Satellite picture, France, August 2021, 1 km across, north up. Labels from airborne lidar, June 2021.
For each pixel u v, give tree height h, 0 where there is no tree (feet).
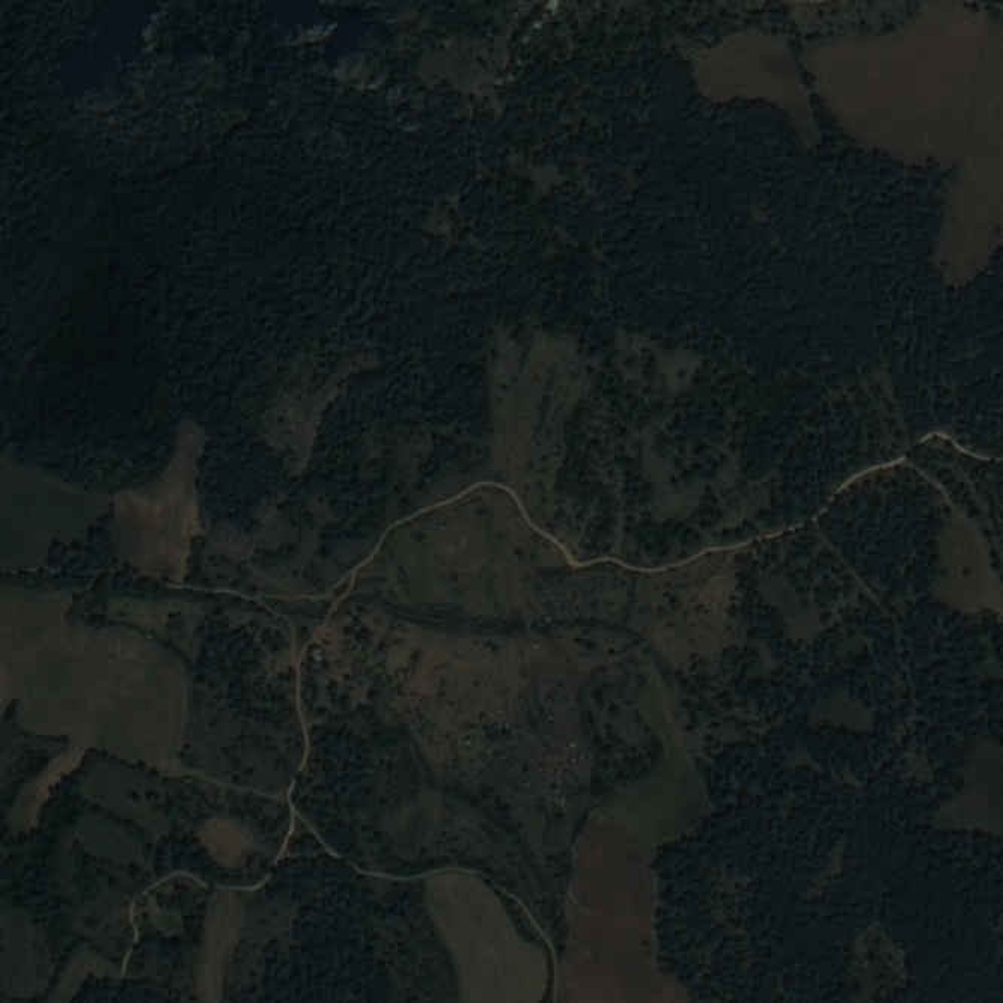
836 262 19
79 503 0
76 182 43
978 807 0
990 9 20
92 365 77
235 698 21
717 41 20
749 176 24
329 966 22
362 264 25
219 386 33
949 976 29
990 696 30
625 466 18
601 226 23
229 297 40
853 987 28
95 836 0
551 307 29
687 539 29
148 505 0
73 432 39
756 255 21
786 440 32
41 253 51
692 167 21
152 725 0
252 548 0
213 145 34
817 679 38
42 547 0
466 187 32
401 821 0
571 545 0
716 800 27
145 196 36
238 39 23
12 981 0
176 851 37
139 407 47
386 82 39
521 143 33
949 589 0
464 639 0
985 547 0
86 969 0
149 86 23
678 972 24
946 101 0
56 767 0
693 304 28
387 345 40
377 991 29
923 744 30
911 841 39
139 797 34
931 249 29
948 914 33
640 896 0
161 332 53
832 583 26
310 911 32
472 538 0
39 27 52
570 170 26
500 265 28
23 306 43
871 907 31
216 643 37
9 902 25
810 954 29
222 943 0
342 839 37
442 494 0
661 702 0
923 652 33
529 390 0
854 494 27
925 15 0
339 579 0
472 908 0
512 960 0
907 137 0
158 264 31
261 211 36
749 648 26
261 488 33
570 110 27
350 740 37
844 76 0
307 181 33
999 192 0
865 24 29
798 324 24
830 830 40
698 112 24
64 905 21
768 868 34
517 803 0
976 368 20
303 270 44
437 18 34
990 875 47
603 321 27
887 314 24
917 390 29
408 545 0
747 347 22
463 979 0
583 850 0
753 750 29
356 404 31
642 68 22
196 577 20
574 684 0
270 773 0
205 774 0
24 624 0
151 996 31
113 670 0
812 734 37
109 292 68
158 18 30
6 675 0
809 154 24
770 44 0
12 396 57
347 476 25
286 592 0
